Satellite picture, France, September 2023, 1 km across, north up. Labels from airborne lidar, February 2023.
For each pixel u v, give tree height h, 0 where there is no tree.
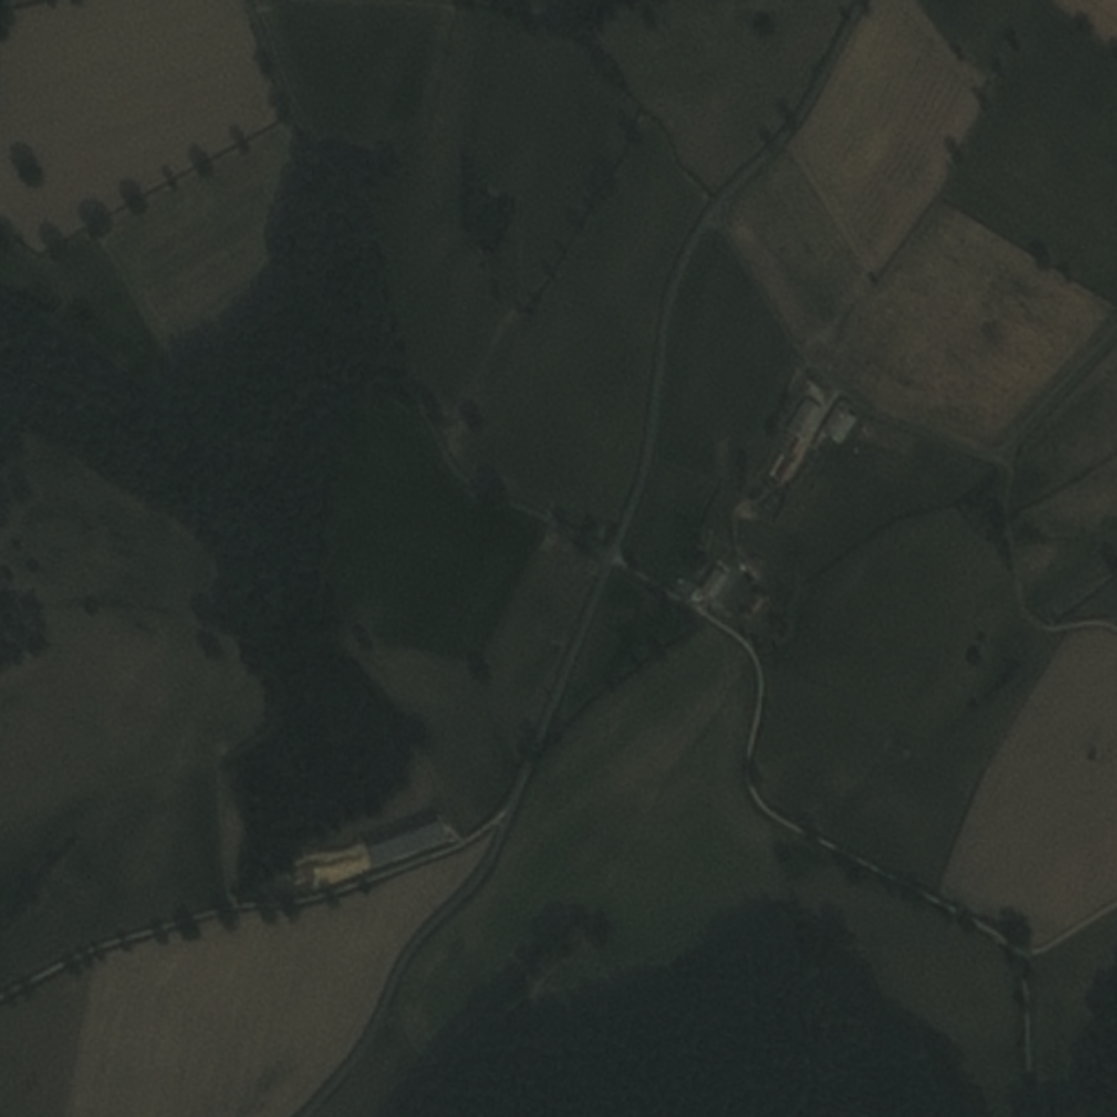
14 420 10
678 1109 32
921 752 0
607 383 0
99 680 0
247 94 0
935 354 0
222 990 0
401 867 0
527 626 0
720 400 0
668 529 0
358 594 0
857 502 0
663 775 0
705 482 0
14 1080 0
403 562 0
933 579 0
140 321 0
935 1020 0
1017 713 0
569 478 0
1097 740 0
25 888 13
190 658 0
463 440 0
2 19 17
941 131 0
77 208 0
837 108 0
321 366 19
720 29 0
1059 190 0
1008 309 0
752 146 0
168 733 0
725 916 0
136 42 0
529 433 0
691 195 0
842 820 0
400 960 0
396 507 0
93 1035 0
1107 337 0
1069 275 12
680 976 9
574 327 0
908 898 16
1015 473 0
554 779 0
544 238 0
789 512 0
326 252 18
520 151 0
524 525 0
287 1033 0
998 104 0
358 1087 0
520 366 0
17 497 10
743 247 0
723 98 0
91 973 0
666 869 0
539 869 0
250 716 0
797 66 0
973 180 0
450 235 0
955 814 0
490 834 0
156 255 0
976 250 0
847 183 0
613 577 0
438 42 0
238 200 0
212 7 0
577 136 0
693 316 0
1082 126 0
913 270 0
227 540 9
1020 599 0
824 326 0
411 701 0
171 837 0
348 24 0
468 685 0
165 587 0
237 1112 0
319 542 21
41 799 0
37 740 0
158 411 26
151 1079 0
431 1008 0
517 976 19
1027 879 0
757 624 0
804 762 0
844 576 0
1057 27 0
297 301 19
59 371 29
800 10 0
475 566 0
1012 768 0
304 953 0
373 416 0
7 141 0
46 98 0
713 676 0
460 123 0
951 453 0
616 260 0
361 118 0
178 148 0
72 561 0
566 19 14
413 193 0
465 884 0
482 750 0
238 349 18
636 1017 29
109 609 0
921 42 0
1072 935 0
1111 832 0
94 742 0
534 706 0
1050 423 0
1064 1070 0
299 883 0
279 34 0
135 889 0
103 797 0
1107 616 0
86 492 0
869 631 0
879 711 0
